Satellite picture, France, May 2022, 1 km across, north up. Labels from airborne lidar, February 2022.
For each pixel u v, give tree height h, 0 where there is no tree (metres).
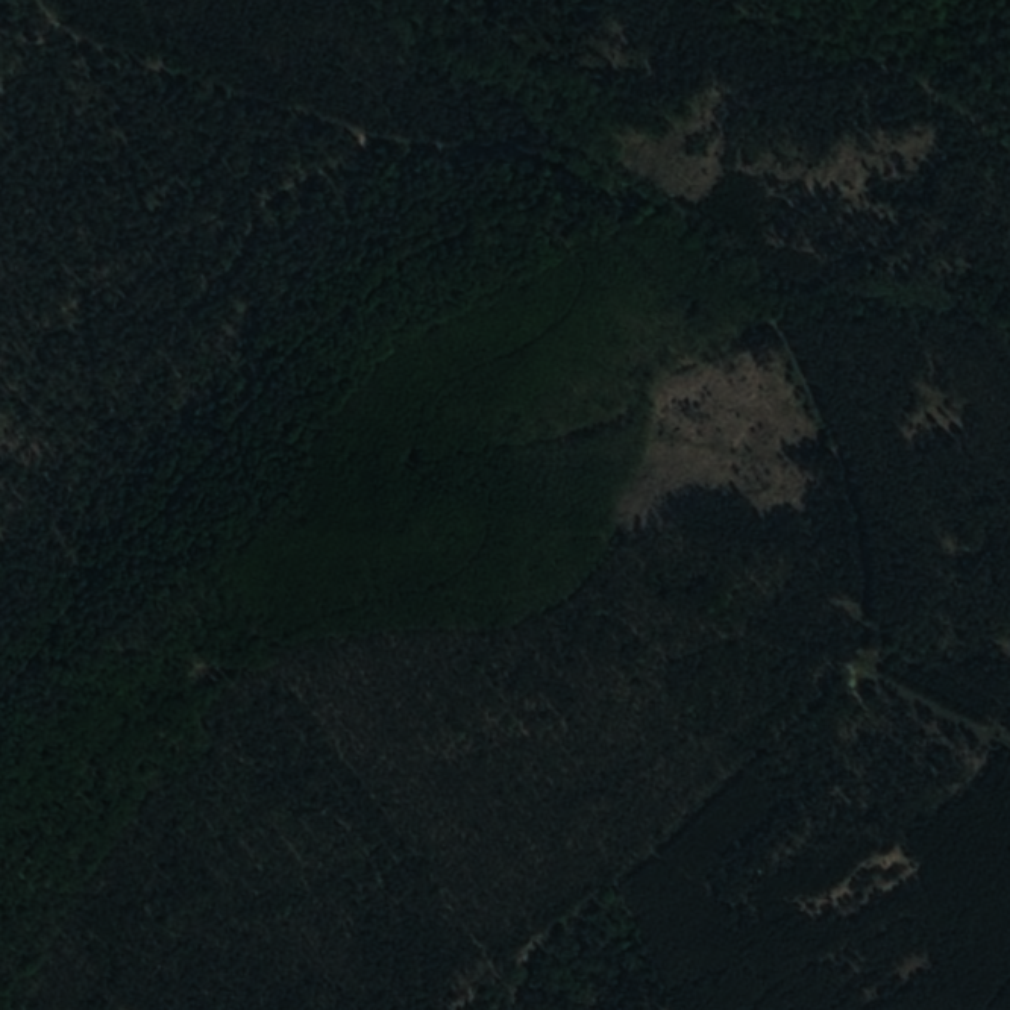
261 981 22
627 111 20
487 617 0
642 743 20
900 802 29
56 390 27
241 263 30
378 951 23
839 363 30
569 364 0
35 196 36
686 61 20
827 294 28
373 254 28
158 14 25
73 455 28
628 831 23
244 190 19
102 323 29
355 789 20
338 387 29
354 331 29
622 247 17
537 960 18
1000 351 26
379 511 0
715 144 0
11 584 27
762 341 27
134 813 23
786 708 26
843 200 32
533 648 19
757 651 23
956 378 26
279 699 22
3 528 26
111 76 32
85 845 29
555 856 19
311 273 35
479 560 0
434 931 21
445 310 22
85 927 21
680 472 0
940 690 20
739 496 26
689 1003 17
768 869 27
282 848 21
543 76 31
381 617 0
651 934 15
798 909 7
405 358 0
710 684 22
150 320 24
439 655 21
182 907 23
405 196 26
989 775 14
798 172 0
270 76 33
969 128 29
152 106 32
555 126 30
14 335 28
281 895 23
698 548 23
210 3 28
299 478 16
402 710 21
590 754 20
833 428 28
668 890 12
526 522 0
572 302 0
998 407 25
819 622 22
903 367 28
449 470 0
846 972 14
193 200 24
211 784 25
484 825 19
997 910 17
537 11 25
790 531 25
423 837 19
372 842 21
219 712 22
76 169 31
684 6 28
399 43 26
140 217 31
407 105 31
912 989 15
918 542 26
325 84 27
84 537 29
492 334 0
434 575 0
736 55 17
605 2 29
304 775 21
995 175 26
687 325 14
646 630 22
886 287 20
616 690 18
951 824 14
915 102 31
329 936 19
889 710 30
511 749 19
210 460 24
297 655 20
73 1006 22
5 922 29
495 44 31
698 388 0
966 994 15
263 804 22
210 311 28
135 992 24
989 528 25
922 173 8
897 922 14
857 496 30
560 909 17
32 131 30
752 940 16
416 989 23
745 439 0
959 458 29
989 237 26
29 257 30
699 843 13
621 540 19
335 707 19
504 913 19
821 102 30
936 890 14
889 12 35
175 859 24
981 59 31
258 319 28
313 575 0
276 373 27
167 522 29
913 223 31
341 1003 22
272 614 0
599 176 30
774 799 7
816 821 29
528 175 33
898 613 28
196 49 27
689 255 16
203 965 19
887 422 30
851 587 24
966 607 32
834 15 32
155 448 24
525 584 0
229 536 23
